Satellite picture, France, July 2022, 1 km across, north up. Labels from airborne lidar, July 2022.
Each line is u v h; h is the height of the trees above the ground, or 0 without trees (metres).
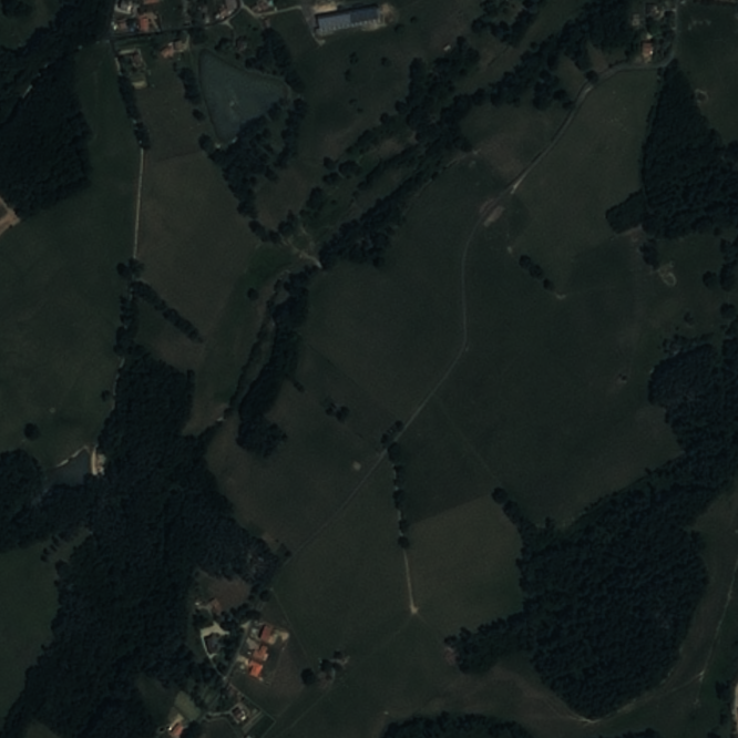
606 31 21
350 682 0
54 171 10
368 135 9
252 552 23
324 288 0
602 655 30
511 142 0
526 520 14
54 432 0
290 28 0
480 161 0
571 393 0
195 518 22
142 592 18
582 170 0
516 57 0
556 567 27
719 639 0
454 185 0
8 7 23
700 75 0
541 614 25
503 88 19
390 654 0
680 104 19
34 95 14
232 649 14
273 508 0
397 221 16
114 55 0
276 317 16
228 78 0
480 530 0
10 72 23
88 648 22
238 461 0
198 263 0
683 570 27
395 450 14
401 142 0
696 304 0
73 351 0
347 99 0
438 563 0
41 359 0
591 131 0
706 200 25
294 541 0
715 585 0
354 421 0
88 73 0
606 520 17
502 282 0
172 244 0
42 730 0
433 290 0
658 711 0
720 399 25
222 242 0
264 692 0
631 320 0
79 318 0
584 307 0
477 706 0
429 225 0
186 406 25
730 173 21
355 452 0
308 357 0
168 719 0
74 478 0
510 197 0
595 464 0
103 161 0
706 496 24
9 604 0
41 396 0
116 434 16
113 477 22
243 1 0
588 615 31
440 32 0
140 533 27
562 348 0
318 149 0
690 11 0
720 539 0
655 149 13
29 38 0
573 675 27
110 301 0
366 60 0
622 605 30
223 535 24
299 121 17
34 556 0
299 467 0
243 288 0
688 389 22
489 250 0
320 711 0
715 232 9
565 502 0
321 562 0
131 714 24
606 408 0
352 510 0
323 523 0
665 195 15
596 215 0
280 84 0
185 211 0
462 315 0
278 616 0
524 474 0
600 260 0
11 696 0
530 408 0
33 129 12
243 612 9
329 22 0
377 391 0
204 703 21
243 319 0
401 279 0
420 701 0
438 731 25
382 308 0
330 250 20
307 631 0
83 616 25
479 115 0
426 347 0
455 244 0
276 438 15
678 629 28
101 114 0
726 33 0
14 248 0
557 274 0
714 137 23
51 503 19
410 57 0
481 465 0
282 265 0
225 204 0
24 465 23
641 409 0
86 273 0
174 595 16
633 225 6
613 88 0
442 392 0
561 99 19
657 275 0
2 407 0
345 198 0
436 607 0
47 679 18
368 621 0
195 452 20
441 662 0
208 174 0
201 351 0
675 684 0
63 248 0
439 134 13
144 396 12
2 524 25
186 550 24
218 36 0
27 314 0
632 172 0
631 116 0
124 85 19
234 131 0
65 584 13
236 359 0
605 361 0
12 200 16
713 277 18
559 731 0
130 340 19
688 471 24
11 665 0
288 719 0
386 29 0
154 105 0
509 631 23
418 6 0
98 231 0
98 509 22
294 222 21
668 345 12
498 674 0
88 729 7
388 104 0
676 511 26
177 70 10
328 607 0
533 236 0
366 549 0
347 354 0
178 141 0
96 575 9
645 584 17
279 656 0
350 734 0
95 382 0
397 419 0
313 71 0
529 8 24
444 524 0
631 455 0
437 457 0
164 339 0
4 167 15
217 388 0
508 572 0
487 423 0
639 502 23
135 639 9
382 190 0
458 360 0
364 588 0
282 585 0
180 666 25
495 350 0
